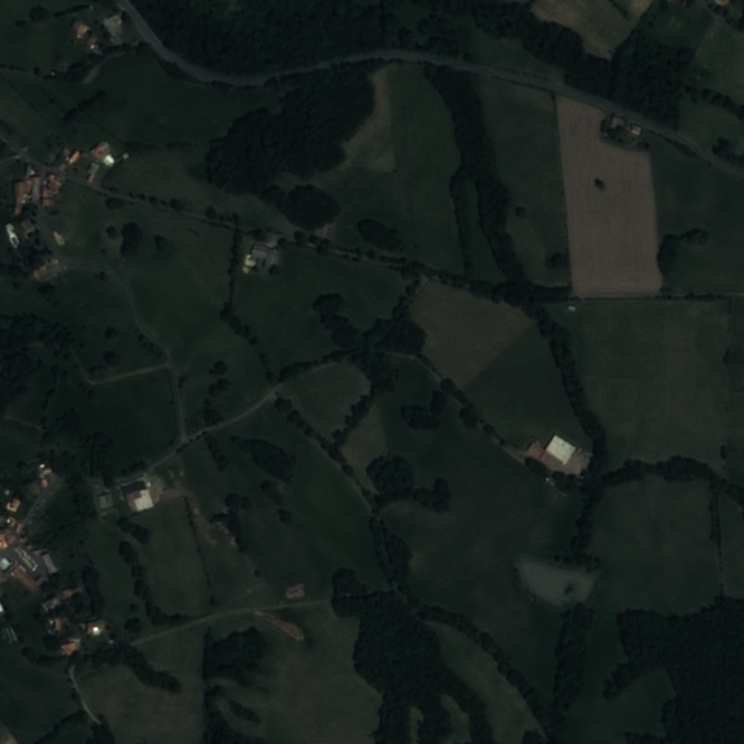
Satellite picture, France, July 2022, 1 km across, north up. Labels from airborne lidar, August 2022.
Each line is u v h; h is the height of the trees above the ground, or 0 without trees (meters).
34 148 0
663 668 16
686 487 0
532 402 0
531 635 0
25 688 0
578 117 0
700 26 0
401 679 15
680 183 0
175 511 0
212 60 17
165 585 0
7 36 0
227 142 14
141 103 0
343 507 0
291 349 0
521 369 0
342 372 0
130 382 0
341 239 0
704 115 0
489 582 0
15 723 0
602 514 0
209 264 0
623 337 0
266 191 14
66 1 0
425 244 0
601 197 0
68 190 0
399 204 0
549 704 11
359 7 16
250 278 0
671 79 21
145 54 13
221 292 0
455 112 12
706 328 0
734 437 0
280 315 0
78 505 12
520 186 0
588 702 0
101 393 0
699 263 0
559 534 0
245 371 0
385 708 7
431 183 0
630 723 0
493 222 15
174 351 0
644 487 0
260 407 0
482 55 0
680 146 14
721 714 16
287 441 0
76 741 0
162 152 0
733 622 17
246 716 10
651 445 0
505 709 0
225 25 19
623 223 0
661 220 0
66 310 0
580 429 0
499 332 0
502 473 0
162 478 0
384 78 0
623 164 0
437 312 0
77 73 13
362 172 0
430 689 15
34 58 0
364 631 14
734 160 25
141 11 11
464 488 0
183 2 19
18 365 16
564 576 0
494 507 0
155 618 15
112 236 14
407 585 16
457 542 0
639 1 0
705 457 0
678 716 19
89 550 0
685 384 0
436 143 0
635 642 21
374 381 16
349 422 12
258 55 28
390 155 0
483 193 15
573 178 0
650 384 0
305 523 0
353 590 13
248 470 0
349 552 0
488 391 0
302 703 0
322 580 0
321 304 15
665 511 0
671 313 0
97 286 0
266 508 0
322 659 0
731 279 0
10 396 16
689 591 0
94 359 0
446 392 11
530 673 0
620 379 0
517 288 18
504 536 0
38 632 0
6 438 0
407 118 0
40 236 10
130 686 0
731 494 9
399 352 8
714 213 0
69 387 0
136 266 0
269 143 16
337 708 0
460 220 12
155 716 0
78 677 0
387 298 0
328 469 0
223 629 0
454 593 0
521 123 0
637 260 0
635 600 0
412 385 0
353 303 0
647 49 13
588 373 0
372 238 18
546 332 18
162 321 0
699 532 0
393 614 16
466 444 0
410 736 11
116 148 0
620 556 0
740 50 0
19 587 0
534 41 18
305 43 21
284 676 0
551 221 0
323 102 18
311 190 17
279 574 0
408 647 17
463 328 0
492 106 0
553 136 0
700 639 20
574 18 0
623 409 0
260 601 0
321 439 8
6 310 0
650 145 9
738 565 0
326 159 17
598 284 0
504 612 0
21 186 0
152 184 0
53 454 10
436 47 19
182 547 0
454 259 0
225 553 0
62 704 0
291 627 0
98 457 10
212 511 0
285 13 27
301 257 0
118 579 0
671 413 0
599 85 13
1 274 18
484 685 0
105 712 0
